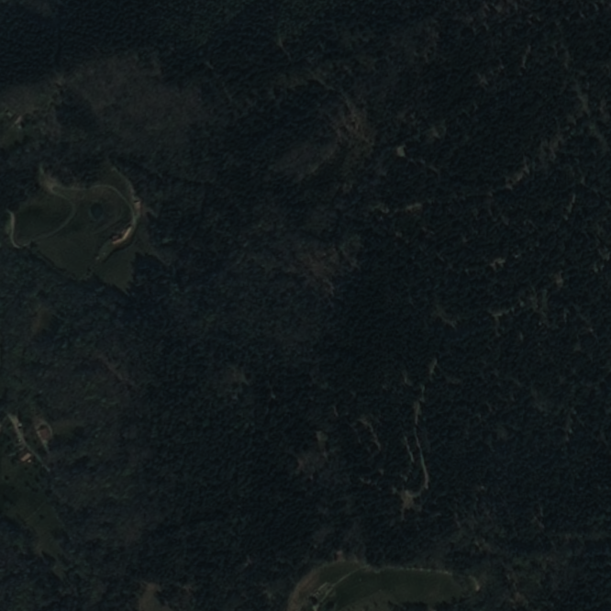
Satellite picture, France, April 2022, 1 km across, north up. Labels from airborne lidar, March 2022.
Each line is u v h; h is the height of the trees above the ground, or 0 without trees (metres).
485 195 10
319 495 18
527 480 35
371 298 28
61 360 32
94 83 21
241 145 14
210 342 19
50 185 0
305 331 21
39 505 0
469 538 29
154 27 14
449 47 28
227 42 16
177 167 22
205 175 21
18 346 28
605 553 16
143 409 21
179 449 19
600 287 28
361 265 15
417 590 0
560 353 26
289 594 24
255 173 17
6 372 15
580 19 29
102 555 25
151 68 21
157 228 14
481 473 23
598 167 26
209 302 21
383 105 13
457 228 22
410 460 13
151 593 0
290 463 23
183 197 21
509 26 28
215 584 18
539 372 24
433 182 20
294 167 29
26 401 18
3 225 24
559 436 24
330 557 19
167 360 19
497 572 22
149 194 21
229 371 19
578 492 31
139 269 13
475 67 32
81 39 27
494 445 7
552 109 22
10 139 0
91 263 0
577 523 29
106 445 35
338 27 14
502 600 26
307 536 27
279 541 21
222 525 12
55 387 26
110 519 15
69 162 13
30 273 25
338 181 14
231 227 21
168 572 25
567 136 25
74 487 32
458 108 30
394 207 20
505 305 32
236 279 26
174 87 29
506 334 33
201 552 18
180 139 26
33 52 25
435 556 18
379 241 25
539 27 20
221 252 16
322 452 26
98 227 0
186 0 16
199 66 19
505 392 23
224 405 19
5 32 29
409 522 14
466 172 21
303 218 20
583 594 24
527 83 29
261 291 24
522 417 25
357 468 15
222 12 10
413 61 17
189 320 23
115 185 0
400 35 15
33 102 15
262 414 19
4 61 25
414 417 24
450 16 11
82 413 30
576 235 28
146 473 24
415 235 17
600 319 32
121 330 27
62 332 23
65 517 23
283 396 17
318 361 18
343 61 12
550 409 22
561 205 24
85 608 21
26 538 31
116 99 21
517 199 27
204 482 17
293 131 24
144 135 25
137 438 25
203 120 26
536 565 28
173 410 16
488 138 30
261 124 20
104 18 21
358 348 22
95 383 32
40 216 0
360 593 0
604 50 31
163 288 15
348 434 16
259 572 25
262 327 21
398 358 28
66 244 0
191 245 15
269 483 22
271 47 18
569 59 6
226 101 19
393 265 32
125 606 19
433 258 22
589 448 32
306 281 29
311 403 16
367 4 15
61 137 10
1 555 35
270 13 12
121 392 28
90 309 29
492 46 25
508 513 36
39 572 33
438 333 32
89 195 0
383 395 18
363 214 30
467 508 8
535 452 28
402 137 13
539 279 28
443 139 19
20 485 0
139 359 21
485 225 31
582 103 21
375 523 13
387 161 24
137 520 26
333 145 31
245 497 18
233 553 22
